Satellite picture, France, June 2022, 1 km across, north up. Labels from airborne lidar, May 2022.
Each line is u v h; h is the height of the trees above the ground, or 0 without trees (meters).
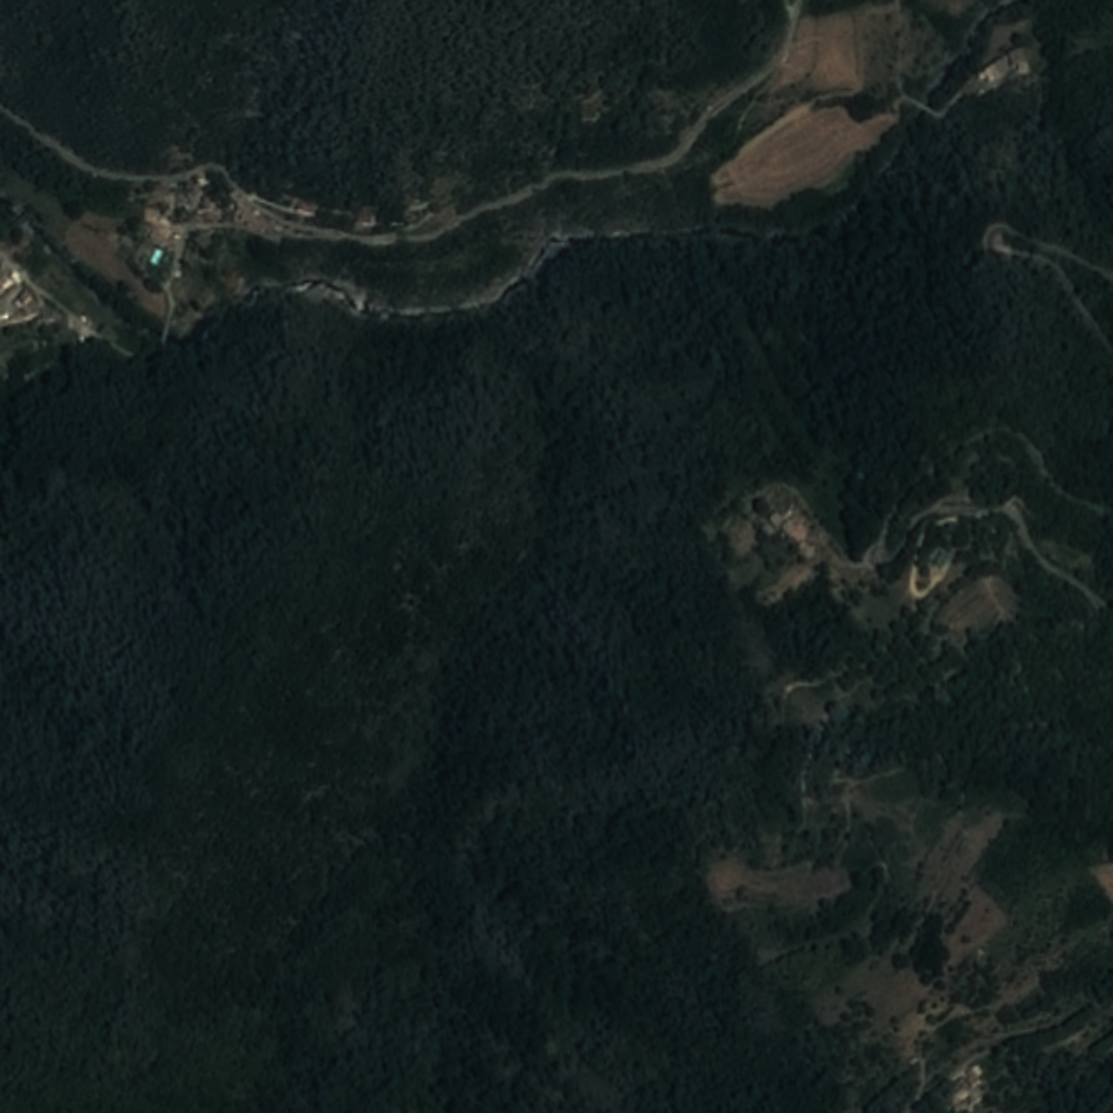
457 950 11
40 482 11
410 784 8
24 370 15
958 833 0
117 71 7
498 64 25
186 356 28
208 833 8
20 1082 11
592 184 11
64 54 14
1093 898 5
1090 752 10
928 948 12
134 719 19
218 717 16
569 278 32
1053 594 8
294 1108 20
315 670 15
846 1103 6
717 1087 11
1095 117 7
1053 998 9
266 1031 18
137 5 12
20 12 9
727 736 19
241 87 6
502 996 17
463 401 18
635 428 11
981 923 0
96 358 23
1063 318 9
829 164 0
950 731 9
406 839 17
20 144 10
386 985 25
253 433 11
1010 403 6
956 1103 0
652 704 15
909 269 19
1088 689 11
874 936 9
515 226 9
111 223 0
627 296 18
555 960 17
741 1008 6
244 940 9
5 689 21
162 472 9
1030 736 12
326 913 16
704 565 9
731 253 25
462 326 10
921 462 15
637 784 7
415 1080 24
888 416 10
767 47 12
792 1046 8
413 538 10
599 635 16
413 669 15
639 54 8
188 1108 16
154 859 13
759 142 0
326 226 13
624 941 14
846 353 14
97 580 17
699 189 9
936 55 7
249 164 9
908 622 7
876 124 0
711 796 15
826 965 13
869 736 10
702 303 25
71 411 29
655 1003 16
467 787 9
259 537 17
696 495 11
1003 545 8
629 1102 9
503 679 14
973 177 8
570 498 11
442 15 25
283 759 13
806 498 0
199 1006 14
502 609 19
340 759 13
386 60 18
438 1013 10
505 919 10
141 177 12
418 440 22
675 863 13
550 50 28
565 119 10
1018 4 11
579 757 14
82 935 7
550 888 11
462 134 13
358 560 14
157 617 15
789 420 8
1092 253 10
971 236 15
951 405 16
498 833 12
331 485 19
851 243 31
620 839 14
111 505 8
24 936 9
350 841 10
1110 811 12
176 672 17
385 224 10
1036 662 10
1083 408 12
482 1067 19
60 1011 16
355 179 11
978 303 15
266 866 11
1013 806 0
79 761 9
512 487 11
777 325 13
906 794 0
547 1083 7
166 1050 18
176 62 17
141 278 9
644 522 7
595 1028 16
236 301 7
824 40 0
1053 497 10
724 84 7
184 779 13
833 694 0
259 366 9
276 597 17
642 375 12
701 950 7
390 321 11
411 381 15
